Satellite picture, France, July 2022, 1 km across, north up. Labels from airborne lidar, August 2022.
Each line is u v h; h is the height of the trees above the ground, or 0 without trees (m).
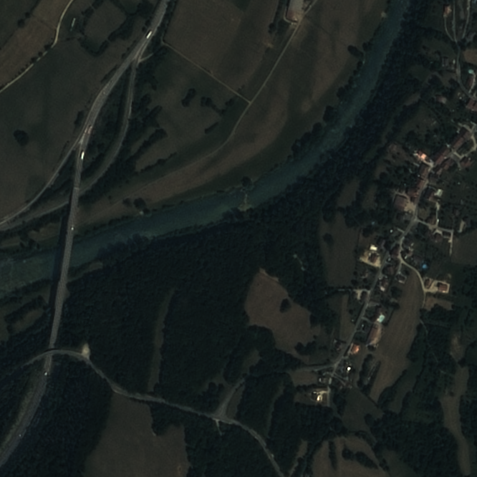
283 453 18
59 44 0
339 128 0
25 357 19
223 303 25
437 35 15
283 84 0
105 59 0
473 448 0
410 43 21
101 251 0
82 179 8
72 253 0
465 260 0
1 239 15
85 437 25
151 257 20
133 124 14
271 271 20
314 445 11
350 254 0
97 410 25
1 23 0
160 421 18
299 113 0
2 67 0
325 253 0
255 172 0
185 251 24
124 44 0
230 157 0
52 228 0
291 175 0
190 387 22
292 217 16
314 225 11
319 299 20
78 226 0
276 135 0
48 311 17
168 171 0
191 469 14
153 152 0
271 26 11
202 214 0
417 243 0
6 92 0
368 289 8
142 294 21
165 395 18
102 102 0
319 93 0
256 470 19
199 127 0
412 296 0
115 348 27
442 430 11
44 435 21
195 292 20
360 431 6
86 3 0
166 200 0
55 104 0
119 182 16
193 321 20
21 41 0
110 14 0
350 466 0
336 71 0
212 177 0
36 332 7
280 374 20
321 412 11
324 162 7
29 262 0
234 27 0
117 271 25
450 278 0
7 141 0
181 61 0
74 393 29
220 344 20
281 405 22
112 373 22
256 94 0
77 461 24
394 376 0
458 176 0
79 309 19
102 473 0
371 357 11
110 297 18
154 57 11
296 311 0
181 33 0
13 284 0
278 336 0
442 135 6
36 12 0
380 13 0
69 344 13
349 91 17
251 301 0
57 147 0
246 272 23
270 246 20
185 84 0
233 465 21
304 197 22
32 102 0
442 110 9
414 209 0
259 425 23
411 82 17
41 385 0
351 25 0
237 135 0
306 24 0
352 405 0
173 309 18
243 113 0
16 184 0
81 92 0
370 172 20
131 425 0
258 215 14
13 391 13
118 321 21
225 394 0
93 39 0
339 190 17
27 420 0
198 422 19
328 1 0
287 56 0
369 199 0
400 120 21
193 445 14
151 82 10
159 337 0
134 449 0
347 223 8
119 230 0
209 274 19
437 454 22
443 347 8
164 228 0
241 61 0
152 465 0
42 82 0
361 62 11
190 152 0
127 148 8
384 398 10
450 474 13
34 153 0
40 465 18
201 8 0
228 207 0
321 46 0
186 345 17
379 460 7
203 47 0
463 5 0
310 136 17
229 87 0
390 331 0
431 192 0
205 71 0
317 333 0
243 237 17
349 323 0
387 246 11
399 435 18
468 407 7
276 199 8
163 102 0
